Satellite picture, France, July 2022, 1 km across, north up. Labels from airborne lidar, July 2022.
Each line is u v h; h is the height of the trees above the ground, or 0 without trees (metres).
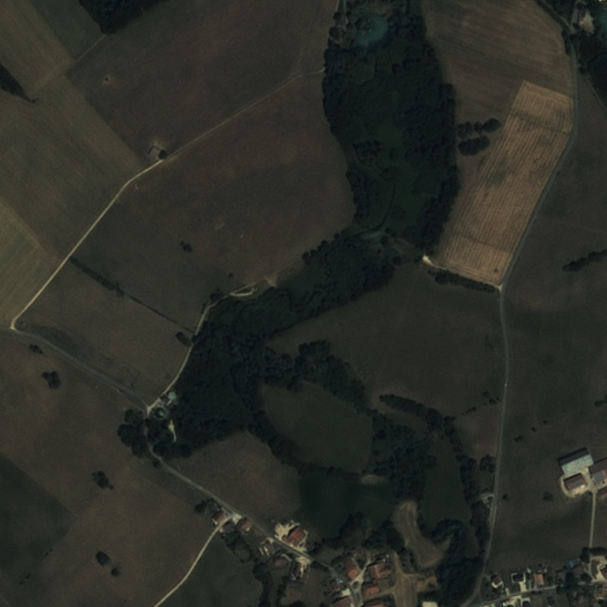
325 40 0
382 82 6
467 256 0
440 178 8
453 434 21
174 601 0
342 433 0
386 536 6
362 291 7
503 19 0
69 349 0
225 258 0
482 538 18
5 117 0
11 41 0
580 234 0
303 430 0
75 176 0
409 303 0
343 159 0
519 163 0
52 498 0
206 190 0
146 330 0
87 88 0
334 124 9
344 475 7
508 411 0
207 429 18
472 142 13
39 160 0
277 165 0
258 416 22
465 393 0
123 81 0
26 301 0
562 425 0
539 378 0
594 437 0
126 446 12
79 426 0
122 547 0
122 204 0
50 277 0
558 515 0
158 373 0
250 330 7
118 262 0
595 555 15
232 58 0
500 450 0
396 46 35
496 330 0
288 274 0
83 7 14
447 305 0
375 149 13
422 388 0
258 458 0
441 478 0
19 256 0
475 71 0
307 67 0
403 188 0
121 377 0
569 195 0
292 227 0
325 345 12
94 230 0
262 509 0
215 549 0
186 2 0
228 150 0
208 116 0
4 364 0
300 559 0
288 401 0
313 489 0
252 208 0
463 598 26
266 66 0
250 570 0
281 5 0
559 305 0
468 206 0
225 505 0
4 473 0
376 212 0
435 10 0
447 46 0
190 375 8
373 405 0
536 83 0
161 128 0
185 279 0
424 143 17
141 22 0
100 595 0
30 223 0
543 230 0
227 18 0
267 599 11
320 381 7
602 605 12
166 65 0
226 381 11
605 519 0
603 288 0
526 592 0
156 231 0
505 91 0
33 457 0
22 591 0
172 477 0
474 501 16
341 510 0
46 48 0
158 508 0
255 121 0
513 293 0
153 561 0
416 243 6
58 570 0
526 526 0
